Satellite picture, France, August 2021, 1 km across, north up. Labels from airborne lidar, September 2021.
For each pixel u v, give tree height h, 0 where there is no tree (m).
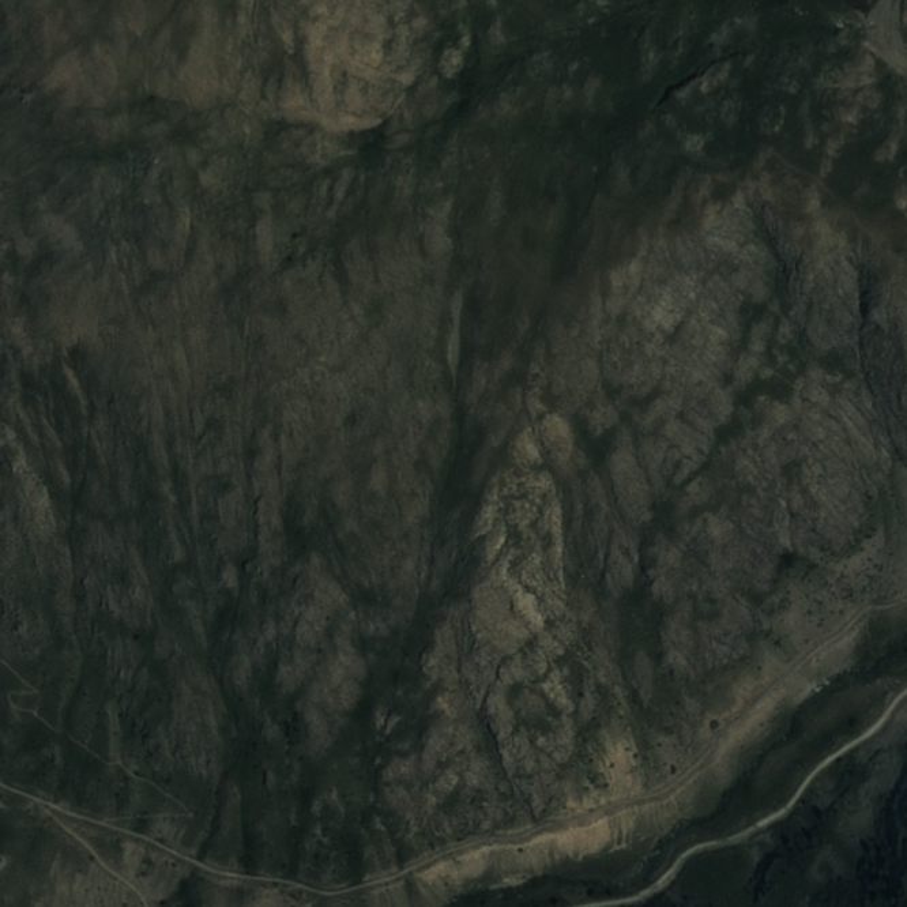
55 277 0
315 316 0
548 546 0
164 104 0
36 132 0
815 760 0
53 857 0
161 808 0
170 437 0
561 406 0
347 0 0
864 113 0
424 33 0
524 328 0
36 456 0
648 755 0
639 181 0
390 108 0
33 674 0
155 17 0
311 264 0
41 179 0
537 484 0
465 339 0
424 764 0
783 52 0
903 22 0
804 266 0
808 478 0
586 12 0
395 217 0
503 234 0
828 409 0
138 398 0
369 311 0
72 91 0
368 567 0
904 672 0
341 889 0
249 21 0
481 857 0
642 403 0
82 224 0
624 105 0
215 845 0
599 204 0
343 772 0
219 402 0
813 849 8
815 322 0
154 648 0
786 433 0
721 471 0
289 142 0
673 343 0
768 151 0
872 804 0
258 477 0
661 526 0
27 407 0
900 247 0
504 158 0
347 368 0
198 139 0
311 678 0
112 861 0
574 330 0
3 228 0
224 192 0
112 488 0
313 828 0
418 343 0
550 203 0
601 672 0
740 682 0
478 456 0
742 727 0
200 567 0
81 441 0
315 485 0
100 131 0
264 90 0
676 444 0
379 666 0
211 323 0
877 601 0
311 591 0
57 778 0
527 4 0
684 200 0
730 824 0
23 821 0
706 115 0
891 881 8
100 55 0
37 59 0
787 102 0
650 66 0
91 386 0
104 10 0
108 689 0
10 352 0
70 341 0
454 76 0
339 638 0
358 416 0
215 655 0
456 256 0
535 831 0
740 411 0
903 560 0
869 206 0
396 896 0
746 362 0
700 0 0
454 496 0
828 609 0
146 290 0
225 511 0
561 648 0
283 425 0
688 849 0
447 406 0
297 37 0
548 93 0
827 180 0
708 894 0
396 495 0
